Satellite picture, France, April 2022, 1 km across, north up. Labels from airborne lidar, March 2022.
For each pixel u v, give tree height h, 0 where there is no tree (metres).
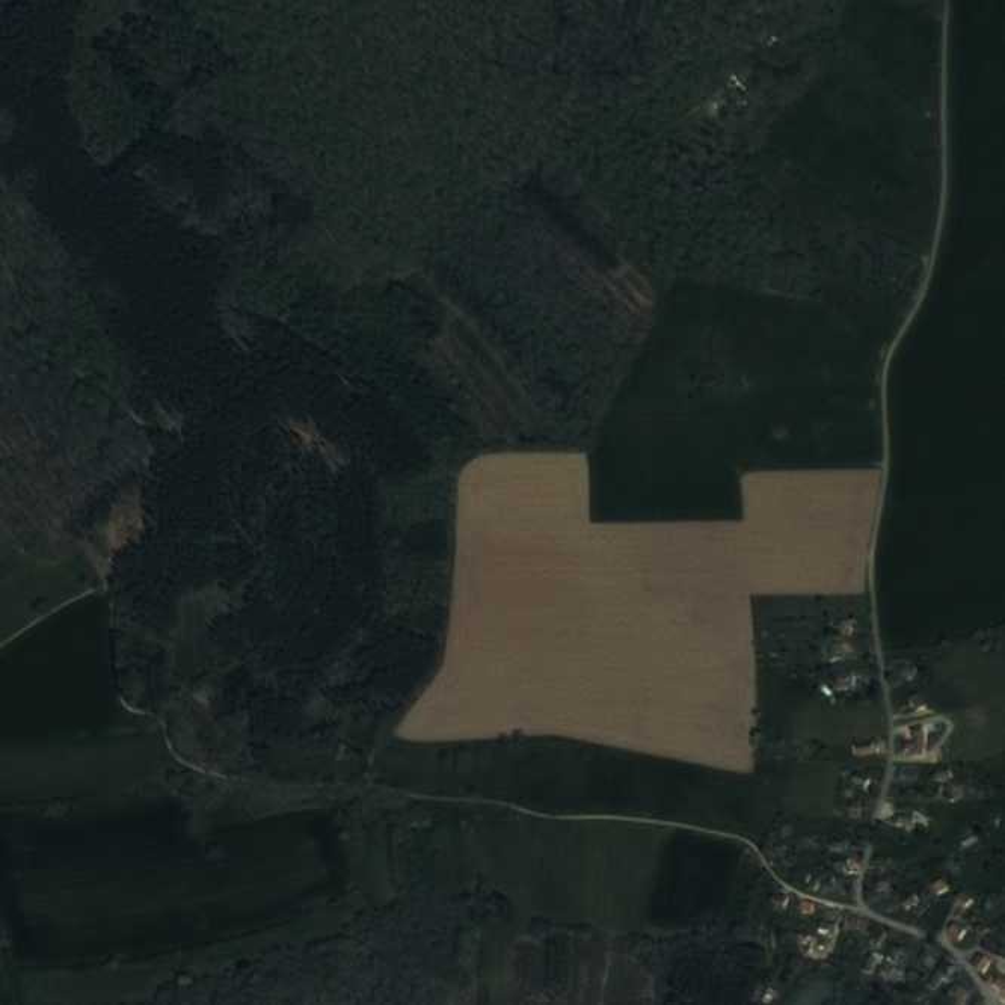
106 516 25
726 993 22
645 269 23
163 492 22
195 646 0
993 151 0
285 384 24
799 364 0
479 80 28
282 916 0
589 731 0
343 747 19
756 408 0
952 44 0
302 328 12
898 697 0
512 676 0
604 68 20
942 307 0
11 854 0
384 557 19
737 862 0
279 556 19
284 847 0
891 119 0
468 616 0
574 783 0
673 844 0
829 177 0
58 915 0
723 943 18
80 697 0
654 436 0
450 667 0
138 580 23
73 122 25
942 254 0
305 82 23
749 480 0
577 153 26
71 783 0
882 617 0
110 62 26
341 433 22
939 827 0
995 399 0
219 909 0
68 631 0
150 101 29
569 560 0
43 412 31
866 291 0
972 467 0
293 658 23
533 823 0
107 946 0
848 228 0
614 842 0
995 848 0
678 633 0
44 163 28
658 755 0
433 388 14
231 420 23
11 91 28
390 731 20
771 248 23
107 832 0
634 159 27
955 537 0
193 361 26
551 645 0
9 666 0
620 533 0
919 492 0
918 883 7
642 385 0
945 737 0
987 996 0
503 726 0
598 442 16
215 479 25
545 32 27
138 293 29
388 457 23
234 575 21
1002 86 0
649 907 0
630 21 25
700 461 0
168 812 0
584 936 16
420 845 9
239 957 0
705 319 0
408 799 19
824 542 0
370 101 26
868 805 0
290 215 22
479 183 27
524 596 0
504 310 17
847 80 0
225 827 0
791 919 0
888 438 0
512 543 0
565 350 26
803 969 12
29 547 17
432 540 17
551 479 0
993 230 0
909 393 0
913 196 0
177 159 28
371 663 22
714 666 0
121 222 24
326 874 0
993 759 0
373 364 11
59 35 27
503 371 0
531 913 0
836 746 0
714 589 0
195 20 21
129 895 0
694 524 0
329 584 21
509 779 0
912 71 0
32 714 0
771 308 0
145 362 28
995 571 0
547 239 30
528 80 25
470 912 21
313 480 22
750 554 0
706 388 12
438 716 0
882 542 0
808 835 0
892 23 0
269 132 27
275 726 25
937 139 0
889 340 0
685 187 18
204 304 28
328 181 25
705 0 29
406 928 19
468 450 10
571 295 30
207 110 28
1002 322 0
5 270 28
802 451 0
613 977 0
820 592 0
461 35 26
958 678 0
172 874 0
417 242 27
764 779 0
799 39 26
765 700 0
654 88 25
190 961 0
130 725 7
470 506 0
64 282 26
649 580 0
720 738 0
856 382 0
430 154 27
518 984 0
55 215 26
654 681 0
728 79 22
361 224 26
